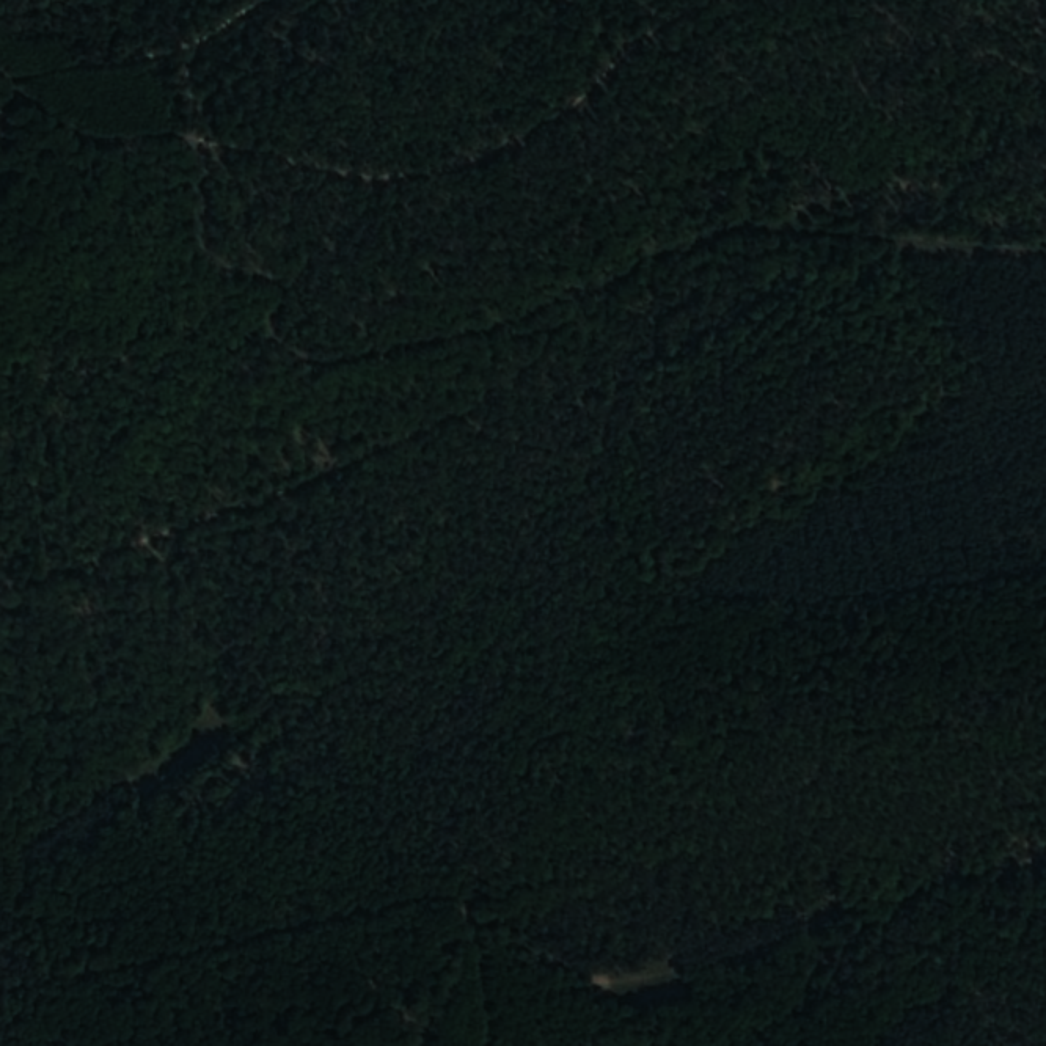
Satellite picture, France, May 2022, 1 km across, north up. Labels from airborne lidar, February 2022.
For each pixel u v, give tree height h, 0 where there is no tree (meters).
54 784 34
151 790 25
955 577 22
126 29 22
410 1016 35
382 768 24
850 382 28
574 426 31
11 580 31
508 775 26
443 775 26
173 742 29
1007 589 29
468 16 27
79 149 28
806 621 31
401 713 29
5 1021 19
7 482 29
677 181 13
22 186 30
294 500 30
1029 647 32
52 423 30
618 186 26
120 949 32
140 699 29
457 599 27
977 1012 29
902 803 25
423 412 26
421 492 29
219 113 29
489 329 25
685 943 28
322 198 20
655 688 24
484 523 25
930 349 28
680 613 30
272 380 26
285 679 29
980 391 24
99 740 29
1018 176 29
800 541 22
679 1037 34
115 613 25
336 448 31
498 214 21
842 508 22
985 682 27
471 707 30
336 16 25
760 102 29
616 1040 30
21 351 33
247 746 31
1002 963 31
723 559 20
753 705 28
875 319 33
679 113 26
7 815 31
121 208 24
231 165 26
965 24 27
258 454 32
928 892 32
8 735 26
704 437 26
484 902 30
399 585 27
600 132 23
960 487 23
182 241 23
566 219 19
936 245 0
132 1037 30
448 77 29
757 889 32
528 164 23
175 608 29
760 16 26
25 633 31
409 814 29
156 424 30
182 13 13
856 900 30
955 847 31
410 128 27
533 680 28
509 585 18
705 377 29
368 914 24
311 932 24
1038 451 23
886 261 32
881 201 33
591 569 25
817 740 23
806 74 24
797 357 30
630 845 27
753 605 32
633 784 22
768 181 29
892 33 25
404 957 32
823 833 26
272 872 30
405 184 23
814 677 31
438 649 14
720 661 30
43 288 26
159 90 14
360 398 29
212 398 29
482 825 24
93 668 34
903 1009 28
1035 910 30
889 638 27
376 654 31
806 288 31
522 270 26
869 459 19
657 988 0
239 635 30
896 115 21
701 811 21
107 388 27
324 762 32
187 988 28
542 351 27
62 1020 28
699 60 27
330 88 26
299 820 30
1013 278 21
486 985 24
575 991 29
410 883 28
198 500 25
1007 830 29
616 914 29
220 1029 30
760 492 29
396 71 29
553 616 25
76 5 13
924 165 32
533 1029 27
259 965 31
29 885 31
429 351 27
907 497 20
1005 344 26
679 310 31
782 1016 33
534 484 25
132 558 27
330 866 26
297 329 19
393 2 16
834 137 24
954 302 22
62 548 32
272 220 24
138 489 28
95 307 27
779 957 31
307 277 24
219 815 26
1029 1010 30
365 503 26
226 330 23
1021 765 23
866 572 23
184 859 32
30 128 30
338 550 28
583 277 26
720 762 25
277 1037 33
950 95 29
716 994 26
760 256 33
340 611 29
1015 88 24
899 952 32
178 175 26
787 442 29
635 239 26
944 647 29
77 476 23
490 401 23
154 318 20
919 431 13
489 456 24
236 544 31
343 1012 33
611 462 29
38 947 29
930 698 24
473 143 23
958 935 32
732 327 33
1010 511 21
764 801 24
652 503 28
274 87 10
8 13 26
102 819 17
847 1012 30
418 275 23
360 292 21
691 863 20
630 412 29
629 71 24
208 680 26
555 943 33
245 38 23
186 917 33
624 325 28
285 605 27
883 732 25
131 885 34
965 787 20
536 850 25
